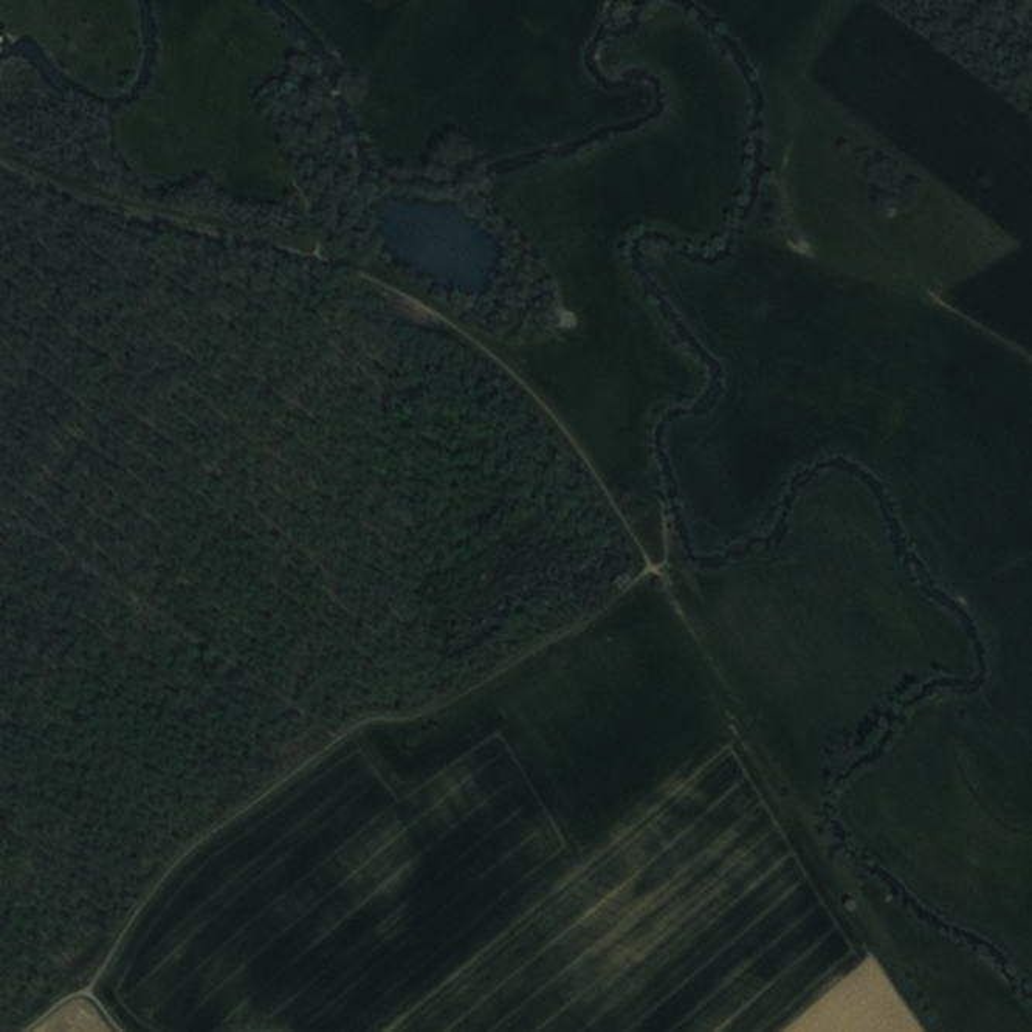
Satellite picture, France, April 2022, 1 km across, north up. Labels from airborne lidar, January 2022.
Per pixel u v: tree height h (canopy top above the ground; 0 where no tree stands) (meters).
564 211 0
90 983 0
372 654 24
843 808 0
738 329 0
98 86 0
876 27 0
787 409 0
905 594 0
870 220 0
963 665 0
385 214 0
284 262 17
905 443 0
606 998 0
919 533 0
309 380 22
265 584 20
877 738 24
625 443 0
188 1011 0
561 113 0
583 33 0
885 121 0
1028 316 0
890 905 0
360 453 20
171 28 0
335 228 23
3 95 0
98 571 25
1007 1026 0
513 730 0
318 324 22
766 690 0
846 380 0
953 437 0
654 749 0
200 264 21
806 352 0
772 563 0
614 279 0
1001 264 0
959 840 0
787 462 0
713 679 0
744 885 0
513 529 18
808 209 0
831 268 0
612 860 0
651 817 0
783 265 0
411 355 23
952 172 0
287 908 0
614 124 0
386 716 12
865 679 0
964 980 0
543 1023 0
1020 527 0
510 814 0
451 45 0
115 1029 0
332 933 0
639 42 0
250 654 21
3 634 23
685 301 0
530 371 0
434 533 25
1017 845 0
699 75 0
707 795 0
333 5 0
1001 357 0
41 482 27
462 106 0
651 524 0
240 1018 0
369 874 0
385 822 0
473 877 0
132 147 0
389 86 0
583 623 22
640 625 0
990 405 0
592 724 0
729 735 0
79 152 14
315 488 24
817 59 0
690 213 0
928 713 0
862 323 0
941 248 0
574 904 0
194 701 22
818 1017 0
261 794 15
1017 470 0
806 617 0
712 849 0
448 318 0
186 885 0
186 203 18
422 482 22
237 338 21
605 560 22
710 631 0
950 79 0
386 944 0
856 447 0
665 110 0
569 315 0
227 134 0
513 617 17
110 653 21
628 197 0
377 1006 0
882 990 0
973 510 0
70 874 25
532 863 0
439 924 0
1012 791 0
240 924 0
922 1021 0
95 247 26
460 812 0
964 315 0
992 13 20
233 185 0
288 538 21
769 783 0
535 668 0
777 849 0
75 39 0
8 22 0
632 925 0
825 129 0
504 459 16
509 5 0
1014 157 0
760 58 0
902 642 0
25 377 21
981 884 0
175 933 0
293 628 22
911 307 0
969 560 0
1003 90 18
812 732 0
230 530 22
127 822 21
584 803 0
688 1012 0
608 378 0
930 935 0
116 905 21
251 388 22
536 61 0
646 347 0
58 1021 0
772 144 0
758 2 0
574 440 0
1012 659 0
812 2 0
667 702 0
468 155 27
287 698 22
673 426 0
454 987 0
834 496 0
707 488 0
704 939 0
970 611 0
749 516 0
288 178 0
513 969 0
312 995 0
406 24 0
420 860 0
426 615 18
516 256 17
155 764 18
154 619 24
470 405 19
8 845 21
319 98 26
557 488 22
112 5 0
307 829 0
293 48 0
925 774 0
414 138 0
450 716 0
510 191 0
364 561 23
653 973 0
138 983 0
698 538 0
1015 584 0
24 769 20
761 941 0
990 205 0
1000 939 0
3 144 18
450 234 0
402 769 0
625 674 0
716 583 0
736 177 0
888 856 0
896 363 0
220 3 0
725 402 0
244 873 0
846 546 0
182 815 20
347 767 0
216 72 0
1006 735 0
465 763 0
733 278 0
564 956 0
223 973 0
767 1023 0
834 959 0
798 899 0
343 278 25
